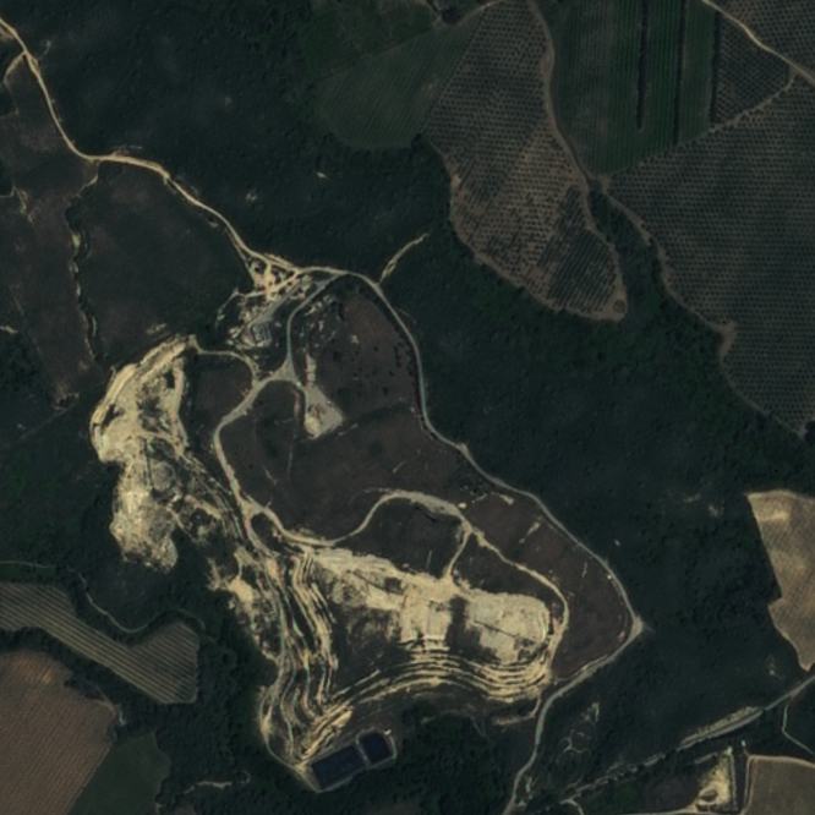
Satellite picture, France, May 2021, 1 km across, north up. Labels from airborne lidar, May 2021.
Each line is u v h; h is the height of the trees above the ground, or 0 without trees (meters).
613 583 0
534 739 0
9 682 0
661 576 0
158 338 0
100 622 7
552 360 7
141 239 0
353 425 0
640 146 0
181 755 7
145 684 0
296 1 8
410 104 0
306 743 0
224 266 0
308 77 7
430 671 0
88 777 0
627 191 6
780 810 0
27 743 0
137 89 5
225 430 0
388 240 10
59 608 0
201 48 6
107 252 0
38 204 0
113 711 0
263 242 6
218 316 0
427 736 10
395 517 0
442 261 7
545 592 0
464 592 0
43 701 0
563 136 0
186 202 0
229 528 0
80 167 0
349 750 0
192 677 0
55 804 0
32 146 0
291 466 0
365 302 0
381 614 0
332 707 0
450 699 0
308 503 0
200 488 0
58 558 6
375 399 0
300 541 0
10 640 10
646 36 11
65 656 11
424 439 0
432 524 0
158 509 0
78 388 0
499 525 0
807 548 0
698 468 6
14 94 0
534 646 0
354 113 0
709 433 8
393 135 0
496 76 6
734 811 0
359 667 0
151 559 0
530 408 6
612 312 0
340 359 7
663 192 6
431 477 0
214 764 8
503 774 6
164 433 0
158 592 6
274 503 0
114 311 0
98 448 0
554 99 0
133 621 7
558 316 6
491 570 0
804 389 6
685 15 7
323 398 0
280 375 0
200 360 11
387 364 0
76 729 0
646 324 7
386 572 0
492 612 0
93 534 6
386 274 0
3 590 0
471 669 0
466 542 0
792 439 6
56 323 0
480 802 19
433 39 0
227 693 6
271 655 0
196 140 6
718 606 10
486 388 6
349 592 0
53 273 0
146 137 0
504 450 6
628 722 8
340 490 0
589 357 6
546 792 10
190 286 0
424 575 0
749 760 0
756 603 14
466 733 8
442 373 6
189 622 9
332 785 0
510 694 0
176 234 0
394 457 0
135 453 0
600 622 0
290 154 6
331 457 0
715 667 6
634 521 6
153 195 0
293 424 0
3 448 0
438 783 22
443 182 7
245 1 8
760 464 7
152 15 6
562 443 7
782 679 0
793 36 5
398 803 8
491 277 15
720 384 8
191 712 11
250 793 8
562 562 0
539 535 0
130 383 0
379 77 0
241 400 0
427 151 17
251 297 0
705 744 8
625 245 12
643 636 0
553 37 0
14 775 0
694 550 7
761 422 10
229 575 0
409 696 0
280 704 0
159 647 0
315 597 0
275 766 16
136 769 0
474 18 0
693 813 0
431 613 0
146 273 0
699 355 6
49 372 0
